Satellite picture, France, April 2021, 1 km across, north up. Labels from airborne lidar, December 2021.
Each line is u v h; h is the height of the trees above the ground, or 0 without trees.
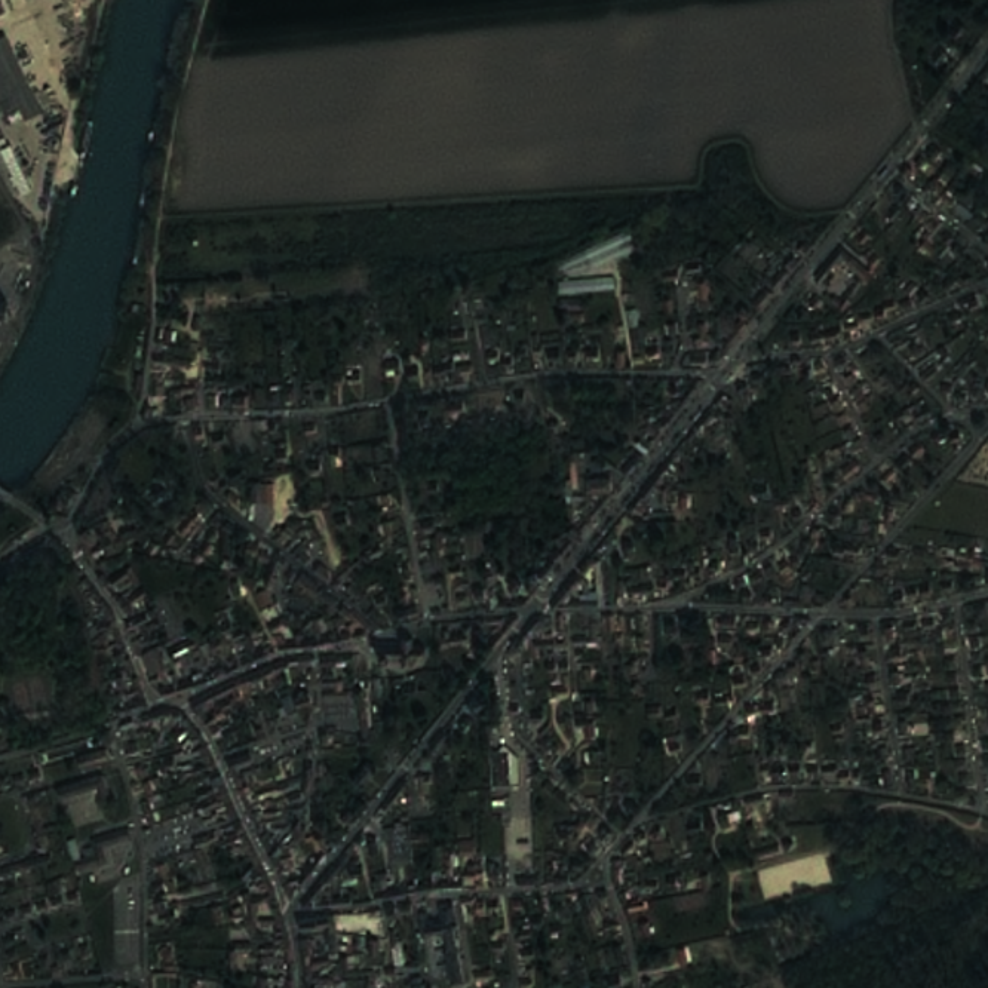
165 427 11
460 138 0
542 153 0
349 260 8
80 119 12
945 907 12
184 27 20
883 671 0
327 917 0
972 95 8
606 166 0
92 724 16
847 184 0
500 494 16
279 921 0
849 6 0
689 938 0
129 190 0
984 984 45
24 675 0
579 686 0
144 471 0
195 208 0
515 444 16
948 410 0
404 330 0
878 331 0
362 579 7
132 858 0
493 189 0
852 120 0
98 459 0
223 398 0
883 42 0
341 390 0
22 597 29
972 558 0
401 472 12
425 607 0
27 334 0
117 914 0
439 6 0
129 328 0
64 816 14
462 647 0
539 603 0
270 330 7
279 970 0
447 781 17
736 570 0
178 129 0
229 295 0
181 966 6
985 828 0
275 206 0
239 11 0
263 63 0
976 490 0
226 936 0
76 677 26
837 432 0
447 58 0
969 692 0
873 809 0
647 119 0
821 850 0
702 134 0
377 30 0
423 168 0
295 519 8
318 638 0
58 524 0
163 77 18
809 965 14
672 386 13
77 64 0
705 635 9
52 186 0
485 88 0
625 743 0
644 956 6
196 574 7
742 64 0
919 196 0
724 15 0
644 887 0
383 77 0
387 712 16
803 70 0
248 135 0
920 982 41
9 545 0
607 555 0
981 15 12
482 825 6
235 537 10
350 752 0
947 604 0
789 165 0
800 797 0
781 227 6
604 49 0
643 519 11
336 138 0
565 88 0
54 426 0
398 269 10
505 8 0
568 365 0
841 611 0
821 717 10
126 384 0
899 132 0
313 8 0
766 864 0
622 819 14
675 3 0
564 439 8
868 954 18
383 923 0
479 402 0
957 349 0
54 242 10
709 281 8
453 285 34
